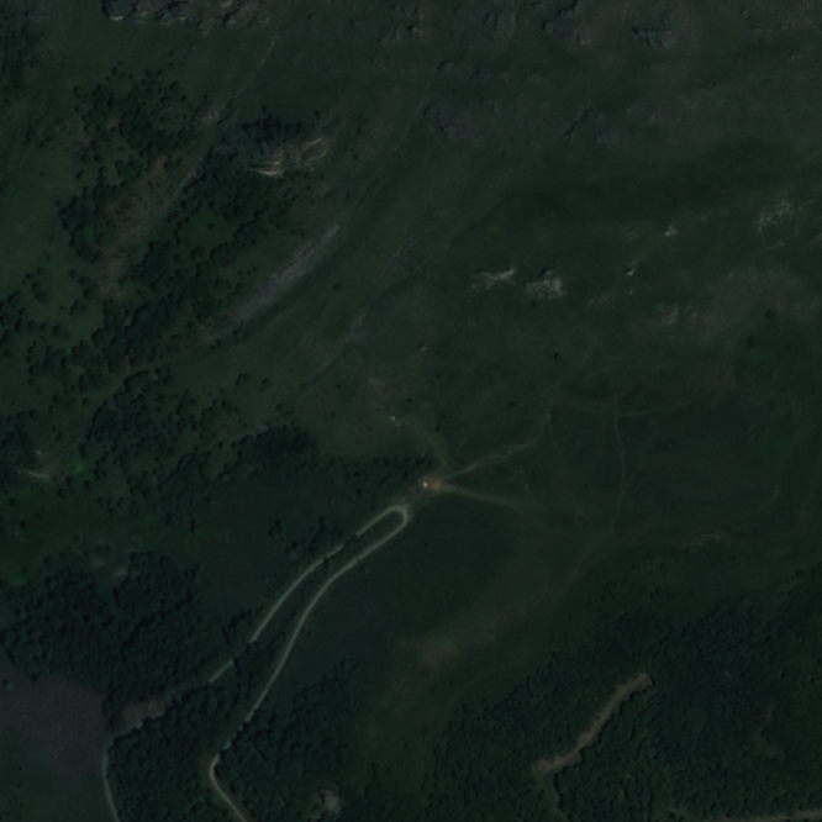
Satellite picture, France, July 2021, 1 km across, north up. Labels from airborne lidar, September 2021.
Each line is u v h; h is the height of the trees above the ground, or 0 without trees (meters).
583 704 15
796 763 17
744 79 0
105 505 13
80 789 0
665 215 0
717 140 0
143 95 13
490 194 0
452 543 0
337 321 0
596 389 0
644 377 0
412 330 0
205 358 0
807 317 0
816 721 14
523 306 0
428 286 0
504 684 0
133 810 13
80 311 13
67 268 0
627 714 23
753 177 0
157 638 20
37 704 0
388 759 0
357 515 0
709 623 9
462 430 0
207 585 0
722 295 0
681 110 0
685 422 0
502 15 0
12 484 17
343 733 0
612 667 18
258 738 15
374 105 0
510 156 0
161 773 18
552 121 0
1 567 0
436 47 0
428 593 0
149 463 0
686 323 0
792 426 0
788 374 0
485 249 0
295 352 0
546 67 0
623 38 0
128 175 17
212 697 19
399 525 0
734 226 0
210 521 0
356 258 0
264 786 17
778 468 0
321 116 10
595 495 0
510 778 16
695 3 0
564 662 15
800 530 0
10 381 0
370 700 0
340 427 0
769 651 14
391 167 0
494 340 0
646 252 0
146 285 16
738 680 7
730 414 0
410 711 0
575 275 0
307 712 12
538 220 0
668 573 7
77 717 0
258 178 13
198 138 10
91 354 16
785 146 0
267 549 0
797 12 0
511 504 0
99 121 15
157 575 17
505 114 0
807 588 8
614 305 0
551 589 0
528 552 0
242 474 22
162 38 0
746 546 0
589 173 0
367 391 0
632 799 29
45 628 16
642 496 0
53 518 0
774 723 9
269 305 0
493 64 0
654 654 12
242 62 0
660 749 27
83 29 0
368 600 0
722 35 0
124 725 15
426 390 0
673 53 0
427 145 0
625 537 0
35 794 0
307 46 0
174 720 17
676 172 0
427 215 0
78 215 21
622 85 0
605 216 0
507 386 0
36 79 0
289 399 0
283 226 18
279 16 0
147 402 24
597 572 0
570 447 0
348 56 0
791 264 0
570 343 0
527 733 18
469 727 18
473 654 0
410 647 0
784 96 0
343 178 0
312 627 0
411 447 0
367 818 12
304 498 0
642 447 0
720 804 14
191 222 14
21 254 0
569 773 24
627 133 0
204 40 0
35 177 0
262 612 5
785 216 0
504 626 0
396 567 0
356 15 0
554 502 0
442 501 0
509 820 20
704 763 20
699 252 0
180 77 0
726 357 0
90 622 18
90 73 0
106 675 19
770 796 21
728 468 0
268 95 0
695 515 0
